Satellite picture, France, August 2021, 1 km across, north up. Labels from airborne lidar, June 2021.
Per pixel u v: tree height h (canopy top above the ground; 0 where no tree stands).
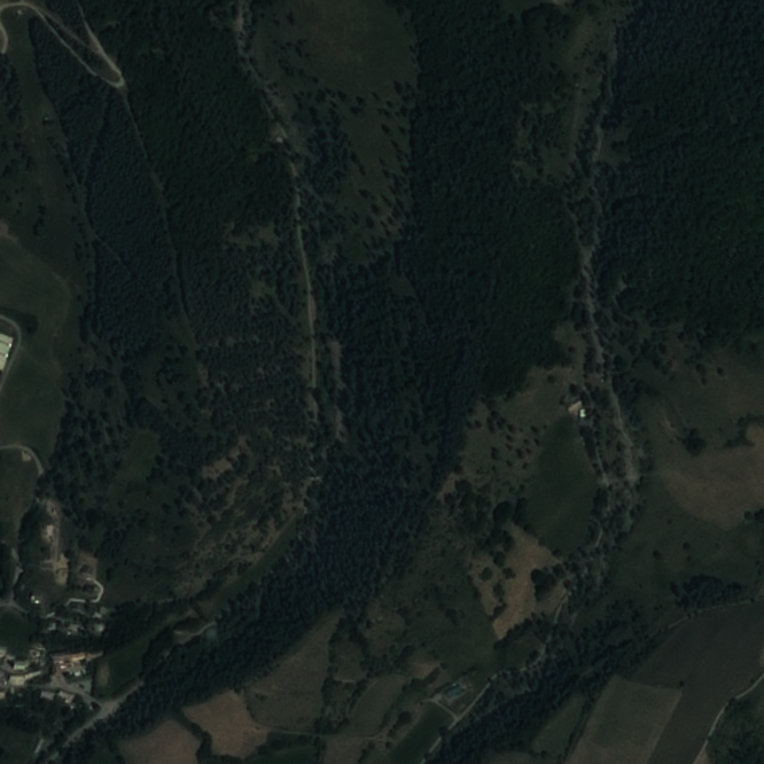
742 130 10
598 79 0
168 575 7
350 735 0
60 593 0
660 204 18
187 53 19
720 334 14
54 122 10
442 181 18
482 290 19
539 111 9
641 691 0
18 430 0
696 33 32
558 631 10
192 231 16
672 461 0
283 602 19
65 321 0
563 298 13
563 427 0
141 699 22
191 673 13
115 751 10
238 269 19
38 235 12
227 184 24
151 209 25
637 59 27
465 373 26
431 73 11
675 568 0
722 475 0
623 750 0
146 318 26
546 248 13
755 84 8
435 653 7
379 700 0
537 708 11
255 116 17
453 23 17
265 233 0
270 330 23
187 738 0
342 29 0
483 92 16
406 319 15
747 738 9
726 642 0
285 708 0
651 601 0
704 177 11
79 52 20
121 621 15
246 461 21
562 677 15
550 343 14
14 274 0
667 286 14
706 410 0
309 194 21
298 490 9
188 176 18
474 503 12
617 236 32
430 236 15
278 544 0
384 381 17
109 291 24
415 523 19
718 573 0
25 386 0
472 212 13
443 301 19
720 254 10
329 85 0
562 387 0
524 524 19
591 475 0
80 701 9
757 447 0
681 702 0
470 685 0
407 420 12
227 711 0
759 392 0
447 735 12
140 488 6
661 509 0
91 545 8
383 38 0
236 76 10
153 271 25
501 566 9
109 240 21
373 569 17
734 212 11
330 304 15
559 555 8
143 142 7
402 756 0
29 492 0
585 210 23
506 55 11
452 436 20
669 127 7
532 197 22
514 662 0
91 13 10
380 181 0
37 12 0
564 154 11
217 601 0
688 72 13
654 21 26
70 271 0
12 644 0
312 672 0
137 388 11
